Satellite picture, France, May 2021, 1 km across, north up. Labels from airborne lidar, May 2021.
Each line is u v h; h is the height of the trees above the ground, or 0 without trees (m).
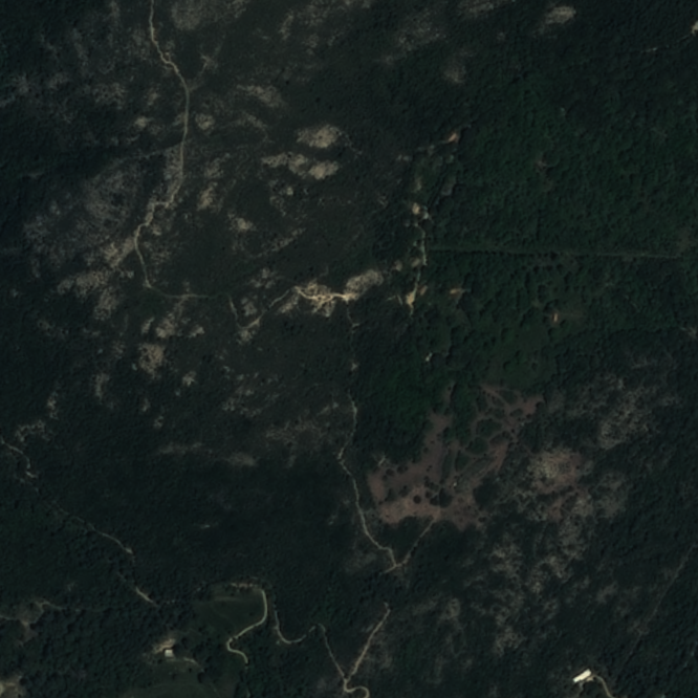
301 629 7
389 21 9
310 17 0
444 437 10
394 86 7
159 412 6
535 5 8
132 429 5
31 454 7
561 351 10
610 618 9
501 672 10
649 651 9
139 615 9
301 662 7
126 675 11
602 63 19
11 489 15
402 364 15
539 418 7
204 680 19
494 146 10
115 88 0
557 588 5
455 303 10
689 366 8
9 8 19
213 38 0
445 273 15
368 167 6
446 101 10
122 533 9
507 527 6
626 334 16
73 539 12
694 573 8
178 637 0
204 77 0
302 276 10
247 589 6
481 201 15
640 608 9
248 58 0
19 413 8
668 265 12
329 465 11
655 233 14
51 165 10
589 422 7
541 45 10
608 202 16
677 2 14
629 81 14
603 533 6
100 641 15
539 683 11
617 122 13
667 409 6
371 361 10
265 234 6
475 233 12
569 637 6
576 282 18
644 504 6
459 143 8
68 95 6
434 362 13
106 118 11
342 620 7
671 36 9
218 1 0
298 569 6
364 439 12
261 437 0
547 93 19
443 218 11
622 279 6
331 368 7
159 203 0
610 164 15
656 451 6
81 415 9
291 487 7
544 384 7
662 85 17
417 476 0
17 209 12
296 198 8
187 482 7
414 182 10
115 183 0
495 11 6
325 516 6
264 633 8
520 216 16
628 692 13
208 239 0
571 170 10
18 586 11
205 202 0
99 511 6
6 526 16
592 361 9
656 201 11
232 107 0
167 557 7
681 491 14
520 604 0
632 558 14
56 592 9
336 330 8
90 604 15
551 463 0
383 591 15
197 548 5
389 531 6
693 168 11
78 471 10
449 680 6
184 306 0
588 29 17
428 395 16
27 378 11
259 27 0
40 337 7
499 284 17
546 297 17
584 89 17
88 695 12
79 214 0
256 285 0
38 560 13
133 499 8
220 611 0
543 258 20
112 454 9
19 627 16
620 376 6
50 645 15
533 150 22
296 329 12
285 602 7
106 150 11
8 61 11
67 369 7
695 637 19
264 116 0
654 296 11
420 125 11
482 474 0
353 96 8
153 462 6
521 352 9
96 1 7
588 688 12
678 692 8
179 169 0
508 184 19
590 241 8
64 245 0
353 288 0
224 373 6
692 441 12
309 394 6
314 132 0
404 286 7
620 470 6
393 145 6
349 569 0
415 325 13
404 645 8
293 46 0
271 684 10
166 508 8
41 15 15
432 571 6
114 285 0
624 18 11
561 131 11
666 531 7
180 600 14
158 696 0
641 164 13
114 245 0
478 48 7
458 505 0
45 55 10
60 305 7
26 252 6
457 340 13
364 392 7
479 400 8
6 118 12
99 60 0
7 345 8
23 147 11
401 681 5
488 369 9
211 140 0
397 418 17
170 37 0
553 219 10
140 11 0
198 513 7
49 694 21
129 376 7
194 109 0
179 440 7
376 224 6
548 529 6
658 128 10
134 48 0
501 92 17
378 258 7
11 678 16
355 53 6
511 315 15
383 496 0
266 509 6
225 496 5
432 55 9
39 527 9
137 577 10
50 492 7
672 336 13
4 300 8
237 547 6
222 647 9
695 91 14
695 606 15
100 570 8
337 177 6
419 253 16
